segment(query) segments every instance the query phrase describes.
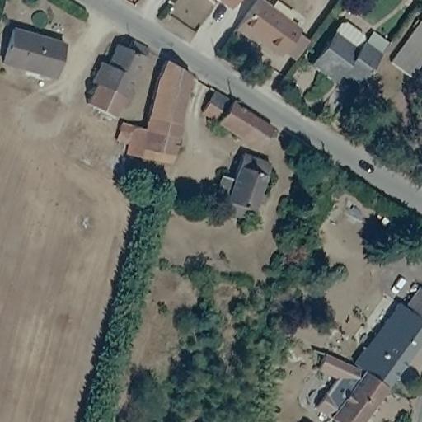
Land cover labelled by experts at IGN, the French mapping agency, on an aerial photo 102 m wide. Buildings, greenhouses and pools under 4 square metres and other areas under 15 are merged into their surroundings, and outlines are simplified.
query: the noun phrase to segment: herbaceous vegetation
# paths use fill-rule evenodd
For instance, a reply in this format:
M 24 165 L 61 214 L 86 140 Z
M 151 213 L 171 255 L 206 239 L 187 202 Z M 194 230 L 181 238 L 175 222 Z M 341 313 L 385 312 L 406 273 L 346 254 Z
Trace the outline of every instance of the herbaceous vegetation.
M 373 12 L 366 18 L 379 20 L 391 12 L 397 3 L 401 3 L 401 0 L 377 0 Z
M 61 105 L 58 96 L 48 96 L 45 101 L 36 105 L 36 122 L 40 124 L 51 122 Z
M 175 45 L 181 45 L 183 40 L 191 41 L 206 18 L 214 16 L 216 12 L 214 5 L 209 5 L 204 0 L 165 0 L 162 7 L 158 8 L 157 20 L 152 23 L 155 30 L 160 31 Z
M 307 0 L 277 0 L 277 3 L 282 3 L 302 15 L 308 15 L 313 10 L 312 3 L 308 3 Z
M 114 91 L 107 109 L 87 102 L 96 91 L 94 81 L 102 64 L 109 64 L 112 61 L 117 46 L 130 48 L 137 40 L 124 35 L 115 36 L 107 53 L 97 56 L 86 79 L 86 92 L 76 92 L 71 101 L 73 117 L 69 119 L 68 129 L 56 137 L 59 138 L 59 148 L 66 150 L 64 157 L 68 158 L 69 162 L 76 163 L 81 170 L 96 171 L 97 175 L 114 178 L 115 183 L 130 170 L 148 171 L 158 178 L 166 175 L 163 165 L 142 158 L 130 157 L 127 143 L 132 142 L 132 137 L 122 134 L 122 125 L 134 125 L 142 129 L 147 127 L 160 77 L 153 73 L 142 68 L 134 77 L 134 99 L 120 96 L 119 92 Z
M 381 63 L 374 69 L 376 76 L 361 81 L 345 77 L 338 84 L 338 91 L 331 87 L 323 96 L 325 101 L 312 105 L 316 117 L 323 112 L 325 104 L 335 107 L 336 112 L 340 112 L 340 122 L 333 120 L 326 125 L 330 132 L 340 132 L 351 114 L 356 114 L 356 110 L 369 109 L 371 105 L 377 107 L 384 99 L 392 101 L 399 112 L 402 114 L 407 110 L 406 97 L 402 92 L 404 76 L 399 73 L 399 69 L 394 68 L 394 59 L 401 53 L 415 28 L 422 30 L 422 15 L 412 21 L 406 35 L 402 36 L 402 40 L 396 46 L 391 40 L 394 40 L 394 36 L 409 20 L 410 12 L 407 8 L 399 18 L 396 16 L 386 25 L 373 30 L 373 35 L 382 36 L 387 40 L 387 49 L 381 51 Z
M 249 295 L 249 290 L 247 287 L 237 288 L 236 284 L 224 280 L 221 284 L 214 285 L 214 307 L 223 315 L 218 331 L 223 333 L 223 340 L 219 345 L 218 354 L 226 369 L 226 376 L 231 377 L 232 371 L 239 368 L 239 361 L 247 358 L 247 348 L 246 341 L 237 338 L 234 341 L 234 321 L 231 312 L 244 303 L 242 297 Z
M 315 51 L 308 53 L 308 61 L 312 64 L 330 48 L 338 28 L 345 23 L 345 16 L 336 18 L 325 35 L 316 43 Z
M 46 8 L 51 8 L 53 20 L 49 21 L 45 30 L 31 26 L 31 13 L 38 10 L 45 12 Z M 48 0 L 0 0 L 0 56 L 2 58 L 7 58 L 10 38 L 15 28 L 43 33 L 49 38 L 63 36 L 68 49 L 76 45 L 76 41 L 86 33 L 89 25 L 87 20 L 79 20 L 76 16 L 69 15 Z
M 211 180 L 196 181 L 180 176 L 175 180 L 176 196 L 185 201 L 190 201 L 196 196 L 213 195 L 214 191 L 223 188 L 223 180 L 214 175 Z
M 333 209 L 318 229 L 323 249 L 313 252 L 313 259 L 321 260 L 325 265 L 328 262 L 330 265 L 341 262 L 346 265 L 348 274 L 331 285 L 326 290 L 325 297 L 305 298 L 292 295 L 277 305 L 277 310 L 280 308 L 284 313 L 290 310 L 303 312 L 308 307 L 312 308 L 312 326 L 298 328 L 293 335 L 293 346 L 288 349 L 288 358 L 285 361 L 285 377 L 277 379 L 279 396 L 275 399 L 275 422 L 340 422 L 331 415 L 338 407 L 325 401 L 326 394 L 335 384 L 336 377 L 330 379 L 323 374 L 321 366 L 325 359 L 336 359 L 340 363 L 354 366 L 359 354 L 363 353 L 366 346 L 371 346 L 377 333 L 382 330 L 382 316 L 387 312 L 387 308 L 391 307 L 392 300 L 399 305 L 409 305 L 414 295 L 412 292 L 417 292 L 419 288 L 410 287 L 410 282 L 422 280 L 422 267 L 419 264 L 407 264 L 406 259 L 382 265 L 368 262 L 363 254 L 364 244 L 386 244 L 387 237 L 404 237 L 410 229 L 409 223 L 404 218 L 389 221 L 382 214 L 373 216 L 373 209 L 366 208 L 359 199 L 349 193 L 333 198 Z
M 183 305 L 193 307 L 198 298 L 198 292 L 196 288 L 191 287 L 190 280 L 181 277 L 180 274 L 173 274 L 170 270 L 153 267 L 153 279 L 145 292 L 142 325 L 138 328 L 132 346 L 132 361 L 135 366 L 130 369 L 129 392 L 142 386 L 152 373 L 165 373 L 168 376 L 171 359 L 180 359 L 178 330 L 173 325 L 175 310 Z
M 239 148 L 232 158 L 229 176 L 234 178 L 237 175 L 244 155 L 257 157 L 259 153 L 264 153 L 269 157 L 269 162 L 277 171 L 277 183 L 272 186 L 269 198 L 257 211 L 260 224 L 254 231 L 242 234 L 237 227 L 237 219 L 232 216 L 221 226 L 213 226 L 206 219 L 188 221 L 180 214 L 171 216 L 166 224 L 165 236 L 162 237 L 160 254 L 173 264 L 185 265 L 186 257 L 203 254 L 206 257 L 206 264 L 214 269 L 223 272 L 244 272 L 251 274 L 256 280 L 267 279 L 262 267 L 269 264 L 270 256 L 277 246 L 272 236 L 272 227 L 277 221 L 275 208 L 280 196 L 290 193 L 290 181 L 293 176 L 292 168 L 288 168 L 285 163 L 284 150 L 280 147 L 282 130 L 277 129 L 272 137 L 265 138 L 254 150 L 244 147 Z
M 412 368 L 402 373 L 401 382 L 419 381 L 422 384 L 422 358 L 419 354 L 414 354 L 410 363 Z
M 392 394 L 374 410 L 368 422 L 422 422 L 422 399 L 407 401 L 397 394 Z

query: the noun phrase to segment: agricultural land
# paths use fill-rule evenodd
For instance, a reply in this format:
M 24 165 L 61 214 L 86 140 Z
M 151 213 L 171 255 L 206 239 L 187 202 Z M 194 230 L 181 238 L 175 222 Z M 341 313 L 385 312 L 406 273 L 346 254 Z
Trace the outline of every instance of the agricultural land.
M 129 199 L 125 198 L 115 183 L 114 178 L 97 175 L 96 171 L 81 170 L 76 163 L 69 162 L 68 158 L 64 157 L 66 150 L 59 148 L 59 138 L 56 137 L 30 138 L 26 135 L 25 127 L 21 127 L 20 120 L 13 117 L 13 110 L 26 94 L 31 94 L 38 86 L 45 87 L 45 84 L 51 84 L 54 79 L 25 69 L 12 68 L 2 61 L 2 58 L 0 56 L 0 422 L 84 422 L 87 407 L 91 406 L 91 386 L 97 381 L 97 366 L 107 343 L 105 336 L 109 333 L 110 320 L 114 316 L 115 307 L 120 305 L 120 297 L 132 293 L 132 288 L 127 288 L 127 285 L 120 282 L 127 282 L 129 277 L 137 274 L 127 265 L 135 264 L 138 259 L 138 256 L 129 256 L 129 244 L 137 242 L 142 234 L 140 227 L 132 226 L 137 219 L 138 206 L 129 206 Z

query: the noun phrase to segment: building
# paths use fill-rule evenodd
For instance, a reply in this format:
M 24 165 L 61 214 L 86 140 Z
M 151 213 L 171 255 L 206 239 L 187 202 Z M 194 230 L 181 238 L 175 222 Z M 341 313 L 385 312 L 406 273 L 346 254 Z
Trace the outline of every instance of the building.
M 54 79 L 59 79 L 63 73 L 68 49 L 63 36 L 49 38 L 43 33 L 15 28 L 10 38 L 7 58 L 2 58 L 2 61 L 12 68 L 25 69 Z
M 287 18 L 275 8 L 274 0 L 257 0 L 237 33 L 244 36 L 259 45 L 262 54 L 274 49 L 280 56 L 288 54 L 290 59 L 295 59 L 300 58 L 303 51 L 310 48 L 308 38 L 307 31 L 298 26 L 298 20 Z
M 246 211 L 257 211 L 269 198 L 272 186 L 277 183 L 277 171 L 269 162 L 269 157 L 264 153 L 259 153 L 257 157 L 244 155 L 237 175 L 234 178 L 229 176 L 223 176 L 223 180 L 223 188 L 236 203 L 232 216 L 237 219 L 242 218 Z
M 183 143 L 186 110 L 195 92 L 195 77 L 188 76 L 185 69 L 176 66 L 175 63 L 166 63 L 165 71 L 160 77 L 147 127 L 142 129 L 134 125 L 122 125 L 122 134 L 132 137 L 132 142 L 127 143 L 130 157 L 142 158 L 147 150 L 178 155 L 176 142 Z
M 374 410 L 392 394 L 392 386 L 396 382 L 401 382 L 402 373 L 412 368 L 410 363 L 414 354 L 419 354 L 422 358 L 422 280 L 410 282 L 410 287 L 419 288 L 417 292 L 412 292 L 414 295 L 409 305 L 399 305 L 392 300 L 391 307 L 387 308 L 387 312 L 382 316 L 382 330 L 377 333 L 371 346 L 366 346 L 363 353 L 359 354 L 354 366 L 340 363 L 336 359 L 325 359 L 321 366 L 323 374 L 330 379 L 336 377 L 335 384 L 326 394 L 325 401 L 338 407 L 331 415 L 340 422 L 368 422 Z
M 394 68 L 399 69 L 399 73 L 404 76 L 412 76 L 415 69 L 422 68 L 422 30 L 415 28 L 401 53 L 394 59 Z
M 374 69 L 381 63 L 381 51 L 387 49 L 387 40 L 382 36 L 373 35 L 366 38 L 363 33 L 345 23 L 338 28 L 330 48 L 312 64 L 312 66 L 316 73 L 333 77 L 338 84 L 345 77 L 361 81 L 376 76 Z
M 226 10 L 237 5 L 241 7 L 244 0 L 221 0 L 221 5 L 224 5 Z
M 134 99 L 134 77 L 142 68 L 153 73 L 157 58 L 150 56 L 148 46 L 137 40 L 130 48 L 117 46 L 112 61 L 109 64 L 102 64 L 94 81 L 96 91 L 87 102 L 107 109 L 114 91 L 119 92 L 120 96 Z
M 246 140 L 247 145 L 244 147 L 254 150 L 265 138 L 272 137 L 277 129 L 269 117 L 260 114 L 259 110 L 252 109 L 251 105 L 242 102 L 239 97 L 214 87 L 213 91 L 204 94 L 199 109 L 199 119 L 206 122 L 208 117 L 216 117 L 223 110 L 227 117 L 221 124 L 224 129 L 231 132 L 234 132 L 237 138 Z

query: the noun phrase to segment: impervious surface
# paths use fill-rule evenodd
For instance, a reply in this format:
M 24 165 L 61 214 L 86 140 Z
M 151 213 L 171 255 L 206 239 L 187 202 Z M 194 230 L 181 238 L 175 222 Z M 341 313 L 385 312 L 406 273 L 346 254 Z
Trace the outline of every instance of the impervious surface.
M 386 25 L 396 16 L 399 18 L 407 8 L 412 0 L 401 0 L 401 3 L 397 3 L 391 12 L 379 20 L 366 18 L 346 10 L 345 16 L 345 23 L 363 33 L 366 38 L 373 35 L 373 30 Z
M 277 129 L 282 130 L 280 147 L 284 150 L 290 143 L 298 142 L 305 152 L 320 155 L 328 168 L 345 171 L 349 180 L 363 183 L 377 193 L 379 198 L 384 198 L 401 209 L 410 206 L 422 213 L 422 188 L 410 180 L 409 176 L 381 165 L 376 157 L 366 152 L 363 145 L 353 145 L 340 132 L 330 132 L 326 125 L 320 120 L 303 115 L 280 96 L 287 89 L 307 89 L 316 73 L 312 66 L 305 73 L 295 71 L 292 81 L 285 81 L 285 76 L 295 64 L 295 59 L 290 59 L 288 54 L 280 56 L 274 49 L 262 54 L 259 45 L 244 36 L 232 49 L 236 56 L 244 54 L 256 64 L 259 64 L 260 59 L 265 59 L 272 64 L 269 77 L 262 86 L 247 84 L 242 81 L 241 74 L 232 68 L 229 61 L 218 58 L 214 53 L 214 46 L 221 40 L 227 28 L 237 33 L 257 0 L 244 0 L 241 7 L 237 5 L 226 10 L 224 5 L 221 5 L 221 0 L 204 0 L 209 5 L 214 5 L 216 12 L 214 16 L 206 18 L 191 41 L 183 40 L 181 45 L 175 45 L 160 31 L 155 30 L 152 23 L 143 20 L 142 16 L 132 15 L 110 0 L 76 0 L 87 12 L 92 8 L 99 15 L 104 15 L 105 18 L 124 26 L 124 35 L 137 40 L 148 46 L 150 56 L 157 58 L 153 73 L 160 77 L 165 71 L 166 63 L 175 63 L 176 66 L 185 69 L 188 76 L 195 77 L 201 76 L 201 81 L 206 81 L 214 87 L 239 97 L 242 102 L 251 105 L 252 109 L 259 110 L 260 114 L 269 117 Z
M 330 15 L 338 3 L 338 0 L 307 0 L 308 3 L 312 3 L 313 10 L 308 15 L 302 15 L 282 3 L 277 3 L 277 0 L 274 0 L 275 8 L 287 18 L 298 20 L 298 26 L 307 31 L 308 38 L 315 35 L 321 23 L 326 20 L 326 16 Z

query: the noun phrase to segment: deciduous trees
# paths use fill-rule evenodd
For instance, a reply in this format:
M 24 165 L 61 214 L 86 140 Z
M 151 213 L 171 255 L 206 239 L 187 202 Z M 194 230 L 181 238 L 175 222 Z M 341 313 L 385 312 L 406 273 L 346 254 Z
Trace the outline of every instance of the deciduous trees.
M 279 396 L 277 379 L 285 377 L 285 361 L 288 358 L 288 349 L 293 346 L 293 335 L 298 328 L 312 326 L 312 308 L 308 307 L 303 312 L 290 310 L 284 313 L 280 308 L 277 310 L 277 305 L 292 295 L 305 298 L 325 297 L 326 290 L 331 285 L 348 274 L 346 265 L 341 262 L 330 265 L 328 262 L 325 265 L 321 260 L 313 259 L 313 252 L 323 249 L 318 229 L 333 209 L 333 198 L 349 193 L 359 199 L 366 208 L 373 209 L 373 216 L 382 214 L 389 221 L 404 218 L 409 223 L 410 229 L 404 237 L 387 237 L 386 244 L 364 244 L 363 254 L 368 262 L 382 265 L 406 259 L 407 264 L 419 264 L 422 267 L 422 213 L 410 206 L 401 209 L 384 198 L 379 198 L 377 193 L 363 183 L 349 180 L 345 171 L 328 168 L 320 155 L 305 152 L 298 142 L 290 143 L 284 150 L 285 163 L 288 168 L 292 168 L 293 176 L 290 181 L 290 193 L 280 196 L 275 208 L 277 221 L 272 227 L 272 236 L 277 246 L 270 256 L 269 264 L 262 267 L 267 279 L 256 280 L 251 274 L 244 272 L 223 272 L 214 269 L 206 264 L 206 257 L 203 254 L 186 257 L 185 265 L 173 264 L 160 254 L 162 237 L 165 236 L 166 224 L 171 216 L 180 214 L 188 221 L 206 219 L 213 226 L 221 226 L 232 216 L 236 203 L 223 188 L 214 191 L 213 195 L 196 196 L 190 201 L 185 201 L 176 196 L 175 180 L 170 180 L 166 175 L 158 178 L 148 171 L 130 170 L 115 183 L 125 198 L 129 199 L 129 206 L 138 206 L 137 219 L 132 226 L 140 227 L 142 234 L 137 242 L 129 244 L 129 256 L 138 256 L 138 259 L 135 264 L 127 265 L 137 274 L 129 277 L 127 282 L 120 282 L 127 285 L 127 288 L 132 288 L 132 293 L 120 297 L 120 305 L 115 307 L 114 316 L 110 320 L 109 333 L 105 336 L 107 343 L 97 366 L 97 381 L 91 386 L 91 406 L 87 407 L 84 422 L 275 422 L 275 399 Z M 198 298 L 193 307 L 183 305 L 175 310 L 173 325 L 178 330 L 180 359 L 171 359 L 168 376 L 165 373 L 152 373 L 142 386 L 129 392 L 130 369 L 135 366 L 132 361 L 132 346 L 138 328 L 142 325 L 145 292 L 153 279 L 153 267 L 170 270 L 173 274 L 180 274 L 181 277 L 190 280 L 191 287 L 196 288 L 198 292 Z M 231 312 L 234 321 L 234 341 L 237 338 L 246 341 L 247 348 L 247 358 L 239 361 L 239 368 L 232 371 L 231 377 L 226 376 L 226 369 L 218 354 L 219 345 L 223 340 L 223 333 L 218 331 L 223 315 L 214 307 L 214 285 L 221 284 L 224 280 L 236 284 L 237 288 L 247 287 L 249 290 L 249 295 L 242 297 L 244 303 Z
M 254 231 L 260 224 L 257 211 L 246 211 L 242 218 L 237 219 L 237 227 L 242 234 Z
M 376 157 L 381 165 L 409 176 L 410 180 L 422 188 L 422 147 L 409 147 L 409 143 L 412 142 L 410 130 L 406 125 L 397 124 L 399 112 L 392 101 L 384 99 L 377 107 L 371 105 L 369 109 L 356 110 L 356 114 L 351 114 L 340 132 L 353 145 L 363 145 L 366 152 Z
M 49 21 L 53 20 L 51 8 L 46 8 L 45 12 L 38 10 L 31 13 L 31 26 L 45 30 Z
M 232 49 L 244 36 L 237 33 L 227 28 L 221 40 L 214 46 L 214 53 L 218 58 L 229 61 L 232 68 L 241 74 L 242 81 L 247 84 L 262 86 L 269 77 L 272 64 L 265 59 L 260 59 L 259 64 L 256 64 L 244 54 L 236 56 Z
M 206 122 L 206 127 L 214 137 L 226 137 L 231 135 L 231 132 L 224 129 L 221 124 L 227 117 L 223 110 L 216 117 L 208 117 Z
M 407 401 L 422 399 L 422 384 L 419 381 L 401 382 L 396 382 L 392 386 L 392 394 L 397 394 Z
M 366 18 L 373 12 L 377 0 L 338 0 L 338 3 L 346 10 Z
M 323 112 L 316 117 L 312 105 L 325 101 L 323 96 L 331 87 L 338 91 L 338 84 L 333 77 L 316 73 L 307 89 L 287 89 L 280 96 L 303 115 L 320 120 L 326 125 L 333 120 L 340 122 L 340 112 L 336 112 L 335 107 L 325 104 Z

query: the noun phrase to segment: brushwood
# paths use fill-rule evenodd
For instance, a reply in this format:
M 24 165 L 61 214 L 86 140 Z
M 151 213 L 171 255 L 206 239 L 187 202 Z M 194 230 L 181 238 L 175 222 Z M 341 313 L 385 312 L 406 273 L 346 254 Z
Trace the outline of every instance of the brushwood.
M 396 46 L 402 40 L 402 36 L 406 35 L 412 21 L 422 15 L 422 0 L 412 0 L 407 8 L 410 12 L 409 20 L 394 36 L 394 40 L 391 40 Z
M 310 48 L 303 51 L 300 58 L 295 59 L 295 64 L 285 76 L 285 81 L 292 81 L 295 71 L 305 73 L 312 66 L 312 64 L 308 61 L 308 53 L 315 51 L 316 43 L 325 35 L 336 18 L 345 16 L 346 10 L 338 3 L 330 15 L 326 16 L 326 20 L 321 23 L 315 35 L 308 38 Z
M 48 0 L 69 15 L 76 16 L 79 20 L 87 20 L 87 12 L 76 0 Z

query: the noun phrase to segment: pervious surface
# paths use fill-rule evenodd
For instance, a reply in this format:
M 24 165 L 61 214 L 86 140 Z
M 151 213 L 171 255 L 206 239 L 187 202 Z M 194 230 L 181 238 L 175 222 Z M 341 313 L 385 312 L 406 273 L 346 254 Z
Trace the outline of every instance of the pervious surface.
M 165 0 L 110 0 L 132 15 L 142 16 L 143 20 L 152 23 L 157 20 L 158 8 L 162 7 Z
M 412 142 L 409 143 L 409 147 L 422 147 L 422 68 L 415 69 L 412 76 L 404 76 L 402 92 L 406 97 L 407 110 L 402 114 L 399 112 L 397 124 L 406 125 L 410 130 Z
M 56 137 L 68 129 L 69 119 L 73 117 L 71 101 L 76 92 L 86 92 L 86 79 L 97 56 L 107 53 L 115 36 L 124 35 L 124 26 L 105 18 L 104 15 L 99 15 L 92 8 L 87 12 L 87 20 L 89 25 L 86 33 L 76 41 L 76 45 L 68 49 L 63 73 L 59 79 L 54 79 L 51 84 L 45 84 L 45 87 L 38 86 L 31 94 L 26 94 L 13 110 L 13 117 L 20 120 L 21 127 L 25 127 L 26 135 L 30 138 Z M 40 124 L 36 122 L 36 105 L 45 101 L 48 96 L 58 96 L 61 105 L 51 122 Z
M 213 91 L 214 87 L 206 81 L 201 81 L 201 76 L 195 77 L 195 92 L 186 110 L 183 143 L 176 142 L 178 155 L 147 150 L 142 158 L 163 165 L 166 175 L 170 180 L 175 180 L 180 176 L 196 181 L 211 180 L 214 175 L 223 180 L 223 176 L 229 176 L 232 158 L 239 148 L 244 147 L 247 145 L 246 140 L 237 138 L 234 132 L 231 132 L 231 135 L 226 137 L 214 137 L 206 127 L 206 122 L 199 119 L 199 109 L 204 94 Z

